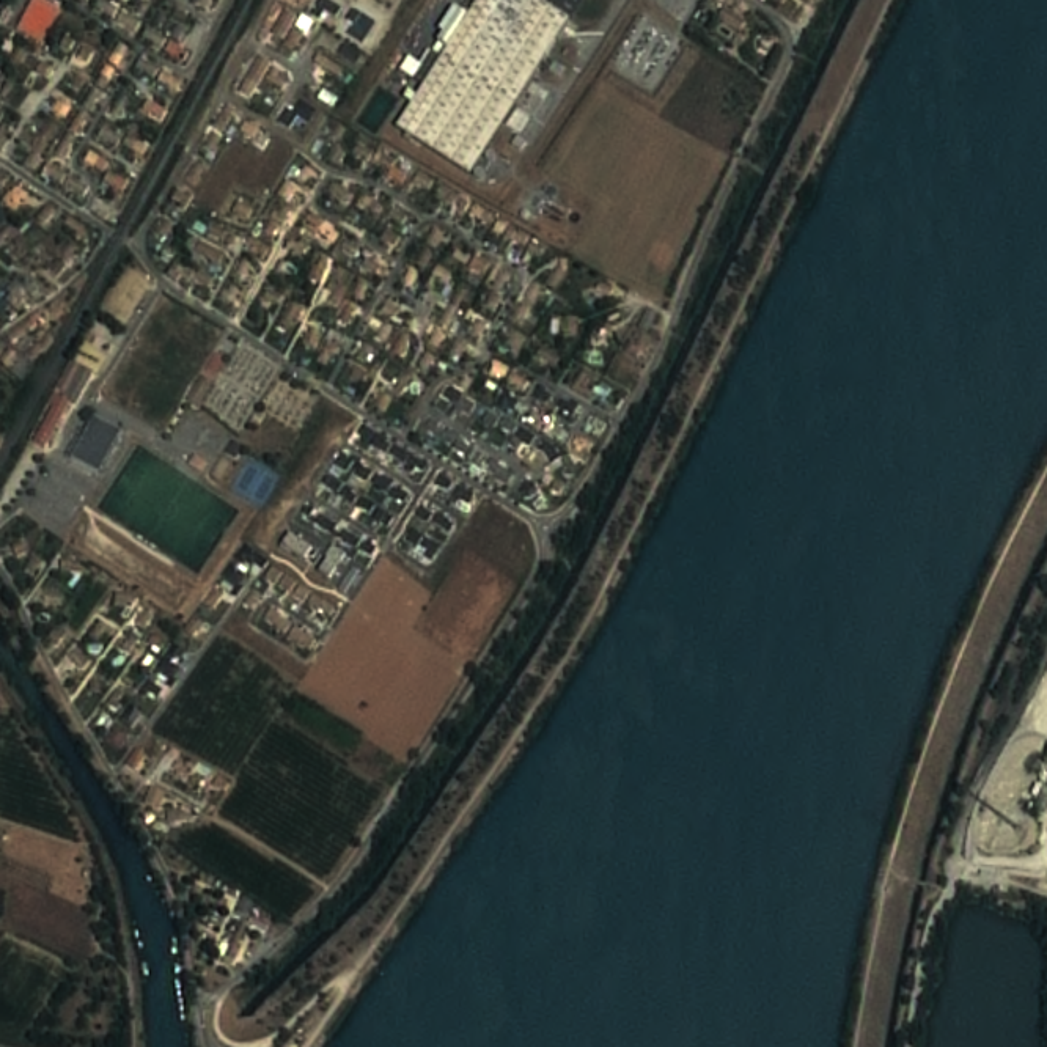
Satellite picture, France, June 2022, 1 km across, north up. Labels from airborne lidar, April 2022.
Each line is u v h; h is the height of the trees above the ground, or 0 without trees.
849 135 0
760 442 0
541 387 7
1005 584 0
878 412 0
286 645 0
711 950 0
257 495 0
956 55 0
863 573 0
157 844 7
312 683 0
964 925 0
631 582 0
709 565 0
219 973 7
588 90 0
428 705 0
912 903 0
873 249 0
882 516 0
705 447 0
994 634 0
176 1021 0
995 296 0
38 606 9
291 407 0
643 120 0
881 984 0
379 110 0
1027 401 0
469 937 0
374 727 0
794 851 0
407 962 0
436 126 0
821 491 0
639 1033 0
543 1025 0
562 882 0
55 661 0
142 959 0
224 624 0
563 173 0
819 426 0
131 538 0
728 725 0
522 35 0
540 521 0
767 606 0
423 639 0
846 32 0
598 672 0
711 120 0
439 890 0
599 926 0
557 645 7
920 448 0
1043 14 0
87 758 10
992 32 0
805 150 9
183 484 0
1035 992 0
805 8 0
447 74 0
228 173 0
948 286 0
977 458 0
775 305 0
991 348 0
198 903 11
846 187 0
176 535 0
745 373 0
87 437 0
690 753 0
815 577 0
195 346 0
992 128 0
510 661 10
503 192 0
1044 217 0
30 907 0
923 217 0
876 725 0
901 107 0
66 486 0
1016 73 0
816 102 0
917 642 0
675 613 0
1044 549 0
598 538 0
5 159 0
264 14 0
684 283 0
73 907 0
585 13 0
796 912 0
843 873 0
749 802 0
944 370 0
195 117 0
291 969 0
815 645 0
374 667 0
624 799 0
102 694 8
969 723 0
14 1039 0
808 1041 0
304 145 0
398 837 16
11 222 16
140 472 0
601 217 0
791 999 0
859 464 0
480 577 0
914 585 0
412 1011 0
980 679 0
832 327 0
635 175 0
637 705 0
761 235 11
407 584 0
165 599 0
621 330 0
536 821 0
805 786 0
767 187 0
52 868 0
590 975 0
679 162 0
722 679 0
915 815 0
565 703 0
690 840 0
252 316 10
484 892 0
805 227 0
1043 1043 8
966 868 0
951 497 0
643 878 0
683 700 0
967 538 0
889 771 0
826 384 0
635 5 0
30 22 0
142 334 0
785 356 0
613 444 8
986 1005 0
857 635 0
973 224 0
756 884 0
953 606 0
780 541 0
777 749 0
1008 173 0
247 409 0
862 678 0
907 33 0
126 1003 13
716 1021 0
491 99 0
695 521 0
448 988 0
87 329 15
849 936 0
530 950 0
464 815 0
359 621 0
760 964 0
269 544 0
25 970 0
